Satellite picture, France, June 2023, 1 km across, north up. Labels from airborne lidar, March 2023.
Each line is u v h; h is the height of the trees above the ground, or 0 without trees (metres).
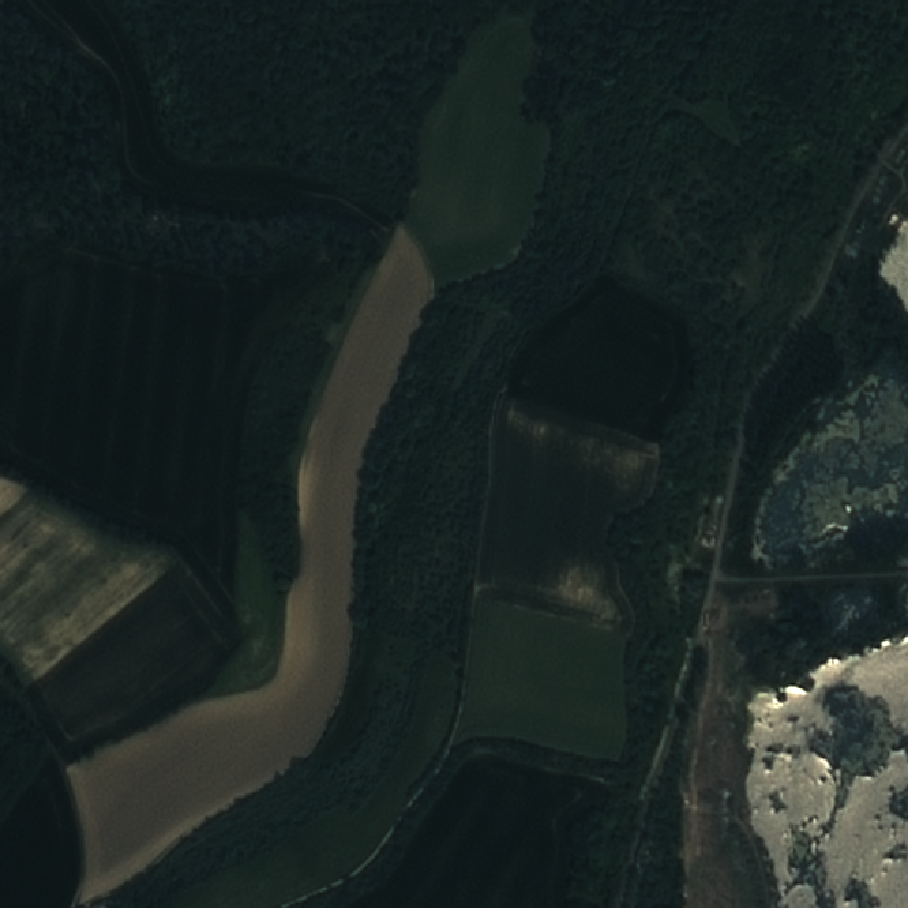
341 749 0
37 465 0
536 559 0
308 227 26
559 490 0
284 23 24
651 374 0
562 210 9
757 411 20
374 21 12
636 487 0
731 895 26
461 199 0
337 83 23
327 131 25
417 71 28
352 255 14
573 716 0
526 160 0
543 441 0
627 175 6
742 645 35
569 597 0
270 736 0
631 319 0
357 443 0
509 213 0
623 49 14
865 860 0
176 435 0
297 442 8
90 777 0
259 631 0
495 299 11
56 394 0
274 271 0
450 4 28
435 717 0
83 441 0
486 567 0
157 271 0
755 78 18
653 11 18
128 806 0
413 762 0
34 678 0
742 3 15
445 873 0
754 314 6
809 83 25
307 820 6
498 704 0
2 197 30
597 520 0
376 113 22
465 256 0
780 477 0
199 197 0
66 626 0
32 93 22
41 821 0
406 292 0
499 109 0
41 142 6
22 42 29
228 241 30
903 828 0
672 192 7
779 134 17
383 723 6
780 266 6
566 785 0
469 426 6
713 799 22
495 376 8
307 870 0
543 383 0
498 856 0
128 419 0
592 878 21
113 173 25
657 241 7
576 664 0
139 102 0
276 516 15
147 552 0
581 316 0
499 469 0
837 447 0
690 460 13
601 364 0
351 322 0
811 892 0
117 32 0
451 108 0
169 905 14
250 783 0
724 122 0
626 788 8
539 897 0
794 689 0
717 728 7
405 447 15
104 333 0
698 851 28
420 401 21
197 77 25
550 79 27
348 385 0
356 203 0
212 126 20
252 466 10
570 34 32
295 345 6
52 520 0
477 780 0
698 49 17
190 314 0
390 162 22
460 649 9
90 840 0
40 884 0
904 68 18
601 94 18
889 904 0
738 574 0
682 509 7
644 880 19
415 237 0
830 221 7
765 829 0
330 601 0
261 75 24
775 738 0
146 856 0
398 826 12
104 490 0
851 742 0
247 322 0
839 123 12
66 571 0
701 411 14
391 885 0
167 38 18
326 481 0
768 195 14
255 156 15
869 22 17
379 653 0
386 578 7
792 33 21
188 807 0
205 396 0
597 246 12
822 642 15
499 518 0
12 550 0
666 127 11
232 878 0
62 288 0
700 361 13
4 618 0
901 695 0
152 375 0
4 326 0
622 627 0
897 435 0
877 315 10
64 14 0
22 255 0
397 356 0
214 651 0
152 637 0
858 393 0
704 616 0
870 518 0
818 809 0
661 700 10
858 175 15
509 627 0
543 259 7
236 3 24
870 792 0
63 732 0
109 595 0
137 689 0
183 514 0
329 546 0
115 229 28
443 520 13
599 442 0
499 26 0
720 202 7
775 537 0
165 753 0
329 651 0
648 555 11
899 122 18
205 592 0
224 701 0
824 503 0
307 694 0
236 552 0
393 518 9
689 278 10
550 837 0
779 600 9
